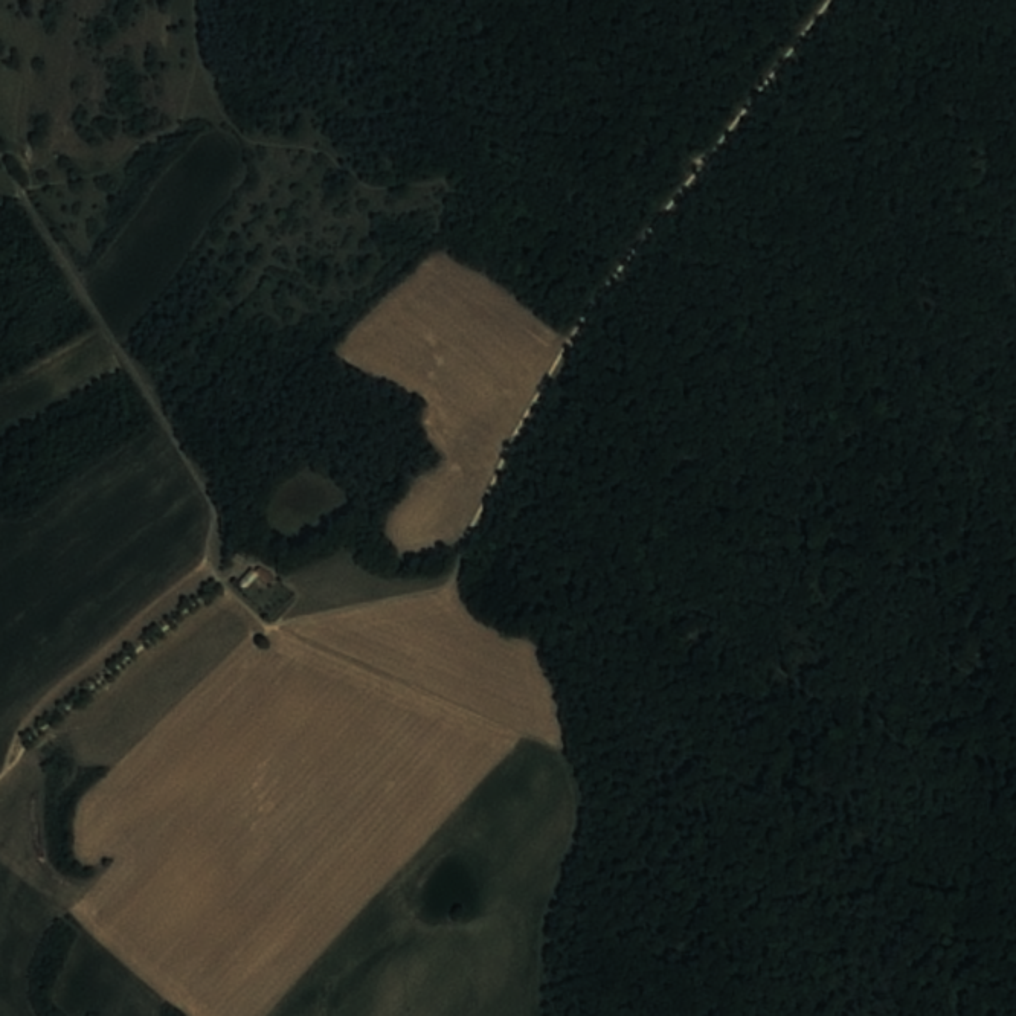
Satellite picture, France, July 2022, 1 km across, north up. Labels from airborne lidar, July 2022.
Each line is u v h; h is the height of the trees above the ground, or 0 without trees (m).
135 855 0
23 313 7
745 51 19
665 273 19
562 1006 16
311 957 0
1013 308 21
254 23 17
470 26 18
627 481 17
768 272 20
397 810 0
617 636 19
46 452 11
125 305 0
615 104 19
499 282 11
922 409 19
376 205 0
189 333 6
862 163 20
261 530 25
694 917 18
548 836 0
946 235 21
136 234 0
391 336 0
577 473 20
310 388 19
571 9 21
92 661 0
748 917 19
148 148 9
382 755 0
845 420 22
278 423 17
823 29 17
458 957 0
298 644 0
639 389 22
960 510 23
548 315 15
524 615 19
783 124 20
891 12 19
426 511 0
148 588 0
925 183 18
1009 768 18
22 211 10
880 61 18
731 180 18
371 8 19
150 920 0
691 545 17
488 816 0
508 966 0
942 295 22
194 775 0
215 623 0
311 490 0
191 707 0
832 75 17
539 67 19
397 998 0
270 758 0
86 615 0
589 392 23
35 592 0
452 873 0
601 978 24
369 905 0
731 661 22
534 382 0
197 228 0
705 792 18
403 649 0
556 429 24
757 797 25
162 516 0
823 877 22
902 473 22
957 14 16
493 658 0
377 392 20
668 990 25
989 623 29
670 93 19
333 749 0
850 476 22
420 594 0
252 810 0
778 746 23
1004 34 20
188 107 0
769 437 18
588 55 17
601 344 20
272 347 13
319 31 19
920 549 27
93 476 0
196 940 0
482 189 11
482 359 0
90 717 0
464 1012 0
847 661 18
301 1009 0
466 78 19
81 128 7
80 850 0
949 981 23
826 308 21
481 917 0
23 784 0
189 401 8
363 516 17
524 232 18
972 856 24
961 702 22
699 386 18
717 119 19
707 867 20
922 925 24
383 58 12
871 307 20
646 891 18
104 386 6
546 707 0
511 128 16
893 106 19
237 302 6
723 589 16
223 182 0
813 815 24
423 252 8
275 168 0
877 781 14
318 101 9
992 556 27
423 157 12
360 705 0
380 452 20
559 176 14
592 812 15
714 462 21
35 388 0
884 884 21
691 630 30
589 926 21
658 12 20
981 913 28
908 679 19
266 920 0
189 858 0
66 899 0
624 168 16
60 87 0
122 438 9
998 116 20
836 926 20
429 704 0
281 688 0
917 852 27
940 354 19
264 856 0
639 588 15
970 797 25
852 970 19
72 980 0
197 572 0
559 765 0
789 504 18
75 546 0
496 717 0
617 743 17
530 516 18
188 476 0
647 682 21
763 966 16
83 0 0
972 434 19
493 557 17
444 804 0
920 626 21
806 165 21
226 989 0
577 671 21
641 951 21
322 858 0
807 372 21
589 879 19
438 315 0
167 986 0
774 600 18
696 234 20
